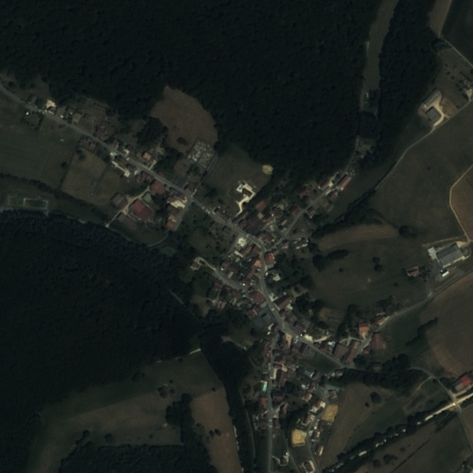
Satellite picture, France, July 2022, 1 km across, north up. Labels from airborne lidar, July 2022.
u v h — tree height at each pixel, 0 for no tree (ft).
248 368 45
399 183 0
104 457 44
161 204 22
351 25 96
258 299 0
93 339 77
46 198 0
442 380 28
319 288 0
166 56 78
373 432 0
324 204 0
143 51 99
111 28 90
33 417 55
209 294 22
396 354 0
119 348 67
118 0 75
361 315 40
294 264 41
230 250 0
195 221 25
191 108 0
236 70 74
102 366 64
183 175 0
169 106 0
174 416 65
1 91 0
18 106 0
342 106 105
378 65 0
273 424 0
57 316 74
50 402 44
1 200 0
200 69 67
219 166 0
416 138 0
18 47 93
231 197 0
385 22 0
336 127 100
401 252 0
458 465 0
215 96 96
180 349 83
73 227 86
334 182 17
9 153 0
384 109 80
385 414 0
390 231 0
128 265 100
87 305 61
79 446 39
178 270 83
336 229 37
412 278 23
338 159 102
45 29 110
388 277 0
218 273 0
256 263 0
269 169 0
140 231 0
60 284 66
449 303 0
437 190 0
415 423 65
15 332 61
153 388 0
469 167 0
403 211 0
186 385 0
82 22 97
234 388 74
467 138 0
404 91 86
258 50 97
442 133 0
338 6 104
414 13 95
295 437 0
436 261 0
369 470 0
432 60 62
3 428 90
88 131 0
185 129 0
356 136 26
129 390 0
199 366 0
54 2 98
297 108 90
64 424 0
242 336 0
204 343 54
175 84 92
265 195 37
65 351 78
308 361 0
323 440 0
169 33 92
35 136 0
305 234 0
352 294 0
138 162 0
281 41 96
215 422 0
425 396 0
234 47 100
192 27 95
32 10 106
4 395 70
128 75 100
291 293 0
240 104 93
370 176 0
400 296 0
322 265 76
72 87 65
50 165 0
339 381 21
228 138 84
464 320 0
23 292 62
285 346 0
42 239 101
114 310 65
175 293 70
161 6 93
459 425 0
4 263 63
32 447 67
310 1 95
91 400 0
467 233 0
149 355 91
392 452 0
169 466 60
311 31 92
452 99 0
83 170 0
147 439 0
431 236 0
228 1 74
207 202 0
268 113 101
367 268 0
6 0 104
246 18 106
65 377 65
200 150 0
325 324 37
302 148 96
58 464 0
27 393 69
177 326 86
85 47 94
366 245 0
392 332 0
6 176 23
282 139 108
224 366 101
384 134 77
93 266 71
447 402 34
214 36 93
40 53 110
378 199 0
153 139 23
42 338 64
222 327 73
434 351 0
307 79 94
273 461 19
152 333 67
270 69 98
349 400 0
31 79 63
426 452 0
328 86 88
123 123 26
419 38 94
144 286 87
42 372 68
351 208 30
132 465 52
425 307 0
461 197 0
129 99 83
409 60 93
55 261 64
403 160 0
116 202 0
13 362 69
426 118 0
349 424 0
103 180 0
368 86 0
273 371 0
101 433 0
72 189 0
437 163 0
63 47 107
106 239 100
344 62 107
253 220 0
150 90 101
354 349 0
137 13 86
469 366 0
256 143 94
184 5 81
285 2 90
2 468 75
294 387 33
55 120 0
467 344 0
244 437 42
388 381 66
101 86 106
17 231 64
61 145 0
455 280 0
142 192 0
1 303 58
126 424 0
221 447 0
